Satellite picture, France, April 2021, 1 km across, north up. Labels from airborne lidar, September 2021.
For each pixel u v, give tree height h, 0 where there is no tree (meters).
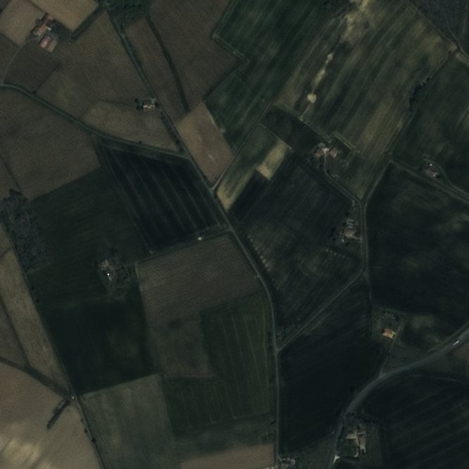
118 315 0
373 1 0
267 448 0
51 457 0
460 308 0
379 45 0
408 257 0
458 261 0
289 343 0
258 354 0
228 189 0
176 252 0
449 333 0
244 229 0
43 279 0
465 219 0
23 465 0
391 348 0
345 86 0
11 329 0
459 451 0
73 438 0
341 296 0
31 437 0
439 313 0
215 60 0
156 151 0
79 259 0
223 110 0
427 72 0
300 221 0
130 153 0
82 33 0
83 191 0
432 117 0
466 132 0
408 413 0
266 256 0
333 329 0
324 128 0
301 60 0
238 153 0
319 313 0
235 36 0
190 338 0
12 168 0
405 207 0
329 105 0
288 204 0
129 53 0
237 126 0
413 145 0
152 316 0
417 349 0
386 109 0
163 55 0
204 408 0
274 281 0
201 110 0
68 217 0
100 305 0
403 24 0
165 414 0
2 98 0
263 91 0
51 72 0
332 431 0
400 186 0
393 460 0
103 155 0
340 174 0
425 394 0
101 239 0
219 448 0
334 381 0
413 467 0
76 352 0
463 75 0
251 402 0
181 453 0
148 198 0
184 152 15
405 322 0
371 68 0
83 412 0
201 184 0
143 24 0
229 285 0
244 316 0
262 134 0
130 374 0
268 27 0
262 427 0
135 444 0
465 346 0
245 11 0
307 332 0
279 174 0
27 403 0
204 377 0
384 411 0
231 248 0
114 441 0
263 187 0
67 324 0
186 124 0
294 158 0
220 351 0
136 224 0
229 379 0
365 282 0
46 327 0
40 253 11
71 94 0
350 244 14
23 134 0
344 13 0
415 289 0
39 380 0
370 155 0
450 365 0
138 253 0
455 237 0
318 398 0
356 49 0
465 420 0
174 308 0
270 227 0
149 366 0
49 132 0
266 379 0
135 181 0
